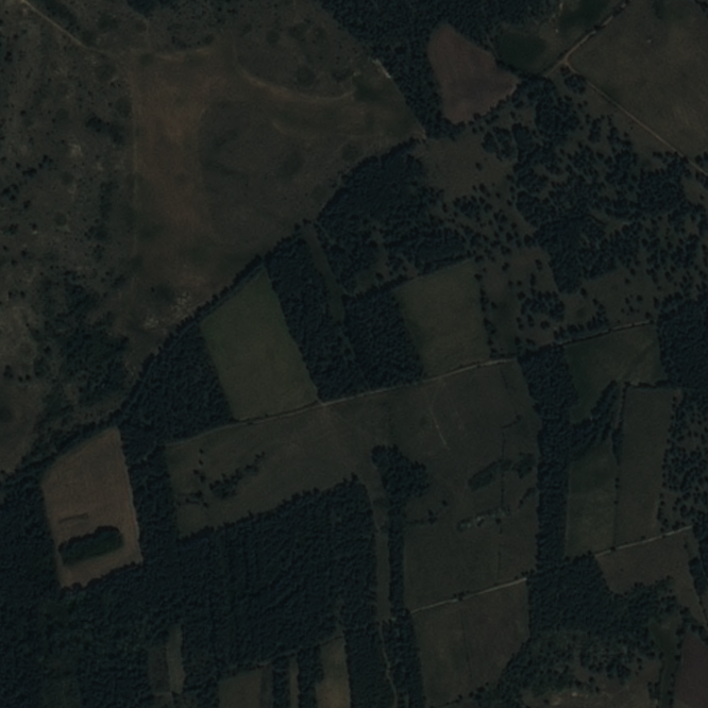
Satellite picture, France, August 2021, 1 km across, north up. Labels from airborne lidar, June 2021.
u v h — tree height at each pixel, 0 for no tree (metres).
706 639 10
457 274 0
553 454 16
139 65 0
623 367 0
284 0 0
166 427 12
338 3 16
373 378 14
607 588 7
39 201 0
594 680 9
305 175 0
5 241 0
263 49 0
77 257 0
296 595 9
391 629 9
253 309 0
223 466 0
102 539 12
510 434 0
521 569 0
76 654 11
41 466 13
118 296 0
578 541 0
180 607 8
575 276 15
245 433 0
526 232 0
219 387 6
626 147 12
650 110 0
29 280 0
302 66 0
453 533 0
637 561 0
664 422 0
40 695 11
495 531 0
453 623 0
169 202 0
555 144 13
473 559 0
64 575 0
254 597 10
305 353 12
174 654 0
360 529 9
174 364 11
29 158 0
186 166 0
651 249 14
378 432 0
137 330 0
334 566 9
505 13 17
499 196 8
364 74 0
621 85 0
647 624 8
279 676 13
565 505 13
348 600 8
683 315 11
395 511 7
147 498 17
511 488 0
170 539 15
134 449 13
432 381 0
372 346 20
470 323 0
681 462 6
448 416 0
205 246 0
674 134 0
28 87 0
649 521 0
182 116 0
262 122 0
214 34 0
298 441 0
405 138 0
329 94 0
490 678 0
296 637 10
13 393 0
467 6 21
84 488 0
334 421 0
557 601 10
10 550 21
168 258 0
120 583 13
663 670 6
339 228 17
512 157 14
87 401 6
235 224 0
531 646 9
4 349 0
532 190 10
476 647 0
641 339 0
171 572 13
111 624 14
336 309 0
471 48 0
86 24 0
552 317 9
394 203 17
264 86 0
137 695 8
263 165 0
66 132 0
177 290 0
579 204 12
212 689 11
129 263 0
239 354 0
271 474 0
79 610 15
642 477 0
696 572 14
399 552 8
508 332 0
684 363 17
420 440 0
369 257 14
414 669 16
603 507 0
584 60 0
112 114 0
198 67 0
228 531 11
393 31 19
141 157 0
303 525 9
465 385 0
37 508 11
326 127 0
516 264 0
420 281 0
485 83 0
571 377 15
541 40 0
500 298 0
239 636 8
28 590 20
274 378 0
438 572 0
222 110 0
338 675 0
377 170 16
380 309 20
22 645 16
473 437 0
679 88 0
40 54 0
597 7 0
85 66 0
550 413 18
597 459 0
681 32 0
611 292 0
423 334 0
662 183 16
